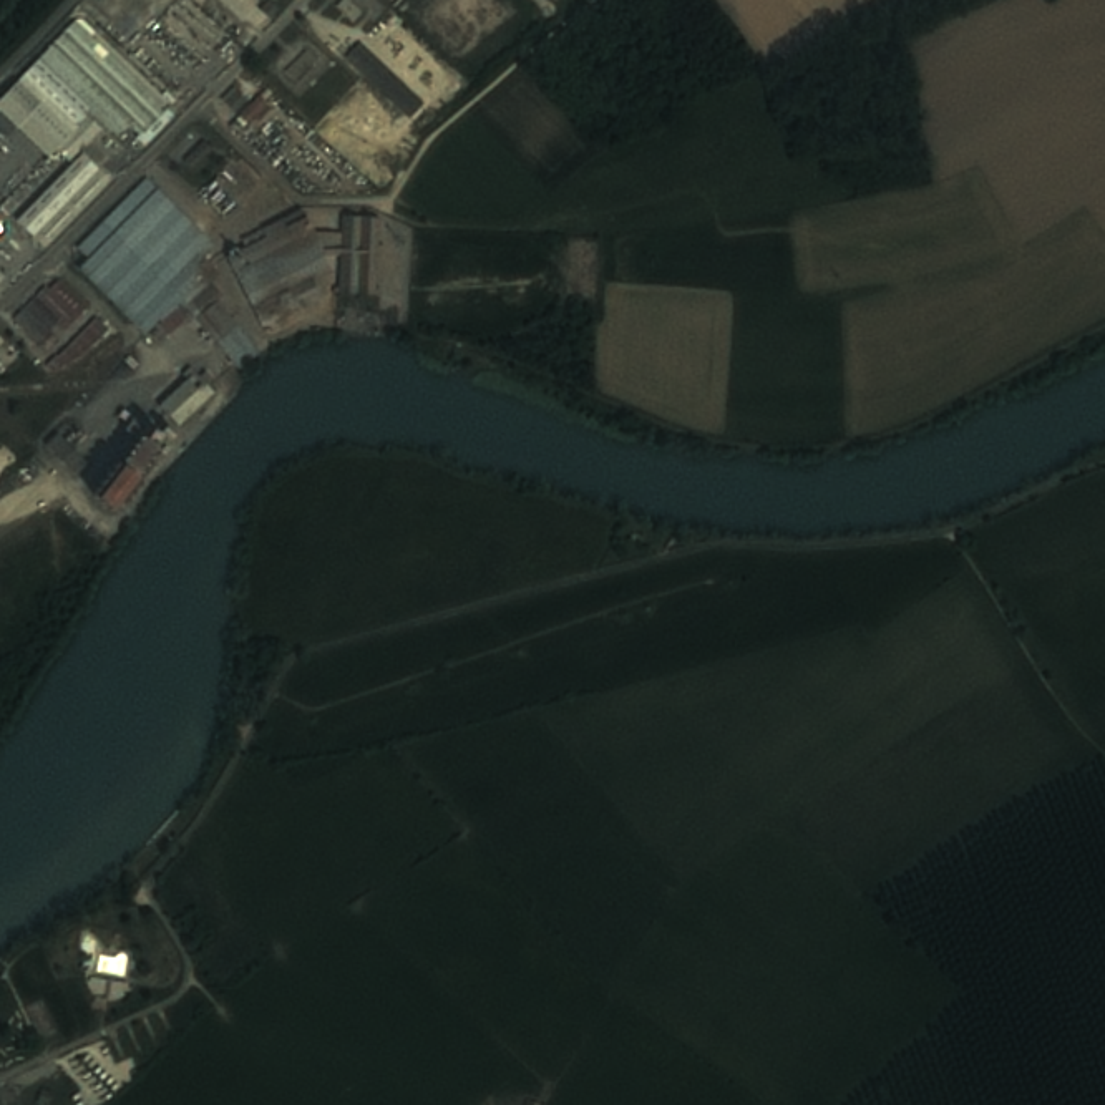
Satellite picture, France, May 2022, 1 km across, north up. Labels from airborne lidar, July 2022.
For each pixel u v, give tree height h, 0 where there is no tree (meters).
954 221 0
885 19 31
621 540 11
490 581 0
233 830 0
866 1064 0
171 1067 0
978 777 0
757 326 0
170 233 0
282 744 0
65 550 0
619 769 0
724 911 0
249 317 0
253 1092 0
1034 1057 23
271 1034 0
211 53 0
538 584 0
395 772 0
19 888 0
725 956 0
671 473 0
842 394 0
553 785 0
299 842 0
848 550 0
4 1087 0
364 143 0
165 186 0
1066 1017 23
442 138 0
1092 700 0
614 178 0
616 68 19
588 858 0
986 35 0
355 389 0
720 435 0
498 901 0
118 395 0
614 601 0
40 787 0
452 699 0
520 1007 0
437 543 0
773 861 0
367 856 0
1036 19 0
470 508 0
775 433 0
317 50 0
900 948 0
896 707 0
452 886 0
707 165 0
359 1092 0
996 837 19
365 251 0
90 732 0
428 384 0
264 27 0
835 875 0
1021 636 14
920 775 0
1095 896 23
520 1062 0
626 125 23
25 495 0
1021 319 0
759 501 0
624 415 16
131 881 12
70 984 0
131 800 0
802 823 0
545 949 0
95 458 0
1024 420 0
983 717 0
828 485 0
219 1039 0
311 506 0
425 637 0
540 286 0
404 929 0
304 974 0
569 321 11
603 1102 0
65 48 0
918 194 0
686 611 0
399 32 0
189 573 0
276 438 0
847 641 0
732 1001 0
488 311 0
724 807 0
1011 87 0
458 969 0
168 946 0
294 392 0
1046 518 0
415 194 0
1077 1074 24
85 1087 0
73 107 0
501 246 0
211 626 0
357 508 0
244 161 0
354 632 0
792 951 0
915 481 0
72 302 0
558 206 0
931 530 13
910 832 0
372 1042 0
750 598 0
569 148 0
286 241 0
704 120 0
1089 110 0
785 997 0
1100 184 0
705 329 0
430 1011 0
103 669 0
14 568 0
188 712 0
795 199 0
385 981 0
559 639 0
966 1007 20
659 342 0
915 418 0
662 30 16
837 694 0
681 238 0
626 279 0
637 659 0
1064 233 0
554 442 0
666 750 0
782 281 0
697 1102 0
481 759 0
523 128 0
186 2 0
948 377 0
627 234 0
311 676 0
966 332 0
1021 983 25
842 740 0
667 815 0
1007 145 0
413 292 0
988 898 26
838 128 8
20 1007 0
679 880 0
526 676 0
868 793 0
